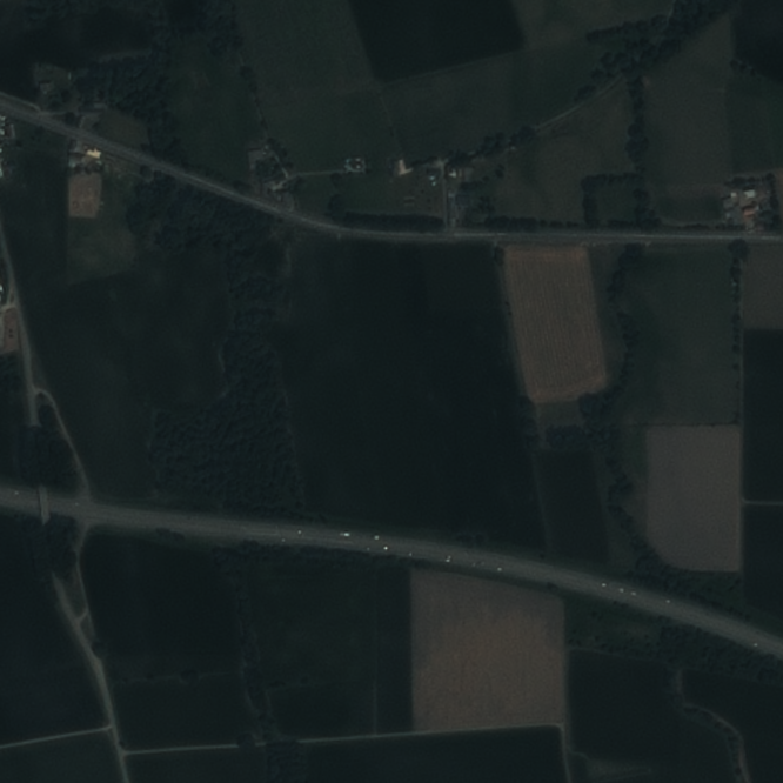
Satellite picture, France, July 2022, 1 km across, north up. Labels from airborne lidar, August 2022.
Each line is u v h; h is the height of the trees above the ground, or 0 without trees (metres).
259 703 21
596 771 0
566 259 0
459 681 0
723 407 0
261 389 17
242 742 16
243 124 0
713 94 0
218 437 18
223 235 22
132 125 0
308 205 0
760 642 0
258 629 0
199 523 0
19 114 0
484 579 0
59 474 23
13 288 0
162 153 13
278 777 18
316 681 0
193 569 0
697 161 0
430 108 0
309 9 0
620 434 14
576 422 0
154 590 0
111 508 0
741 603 0
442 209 0
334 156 0
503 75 0
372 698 0
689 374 0
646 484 0
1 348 0
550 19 0
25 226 0
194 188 14
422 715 0
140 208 18
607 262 0
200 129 0
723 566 0
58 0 19
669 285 0
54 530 22
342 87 0
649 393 0
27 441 25
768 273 0
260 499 17
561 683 0
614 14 0
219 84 0
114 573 0
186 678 15
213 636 0
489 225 14
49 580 11
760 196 0
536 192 0
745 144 0
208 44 0
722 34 0
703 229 6
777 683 12
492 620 0
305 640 0
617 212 0
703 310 0
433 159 9
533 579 0
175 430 10
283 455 12
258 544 14
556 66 0
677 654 10
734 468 0
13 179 0
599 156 0
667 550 0
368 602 0
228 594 0
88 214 0
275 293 23
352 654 0
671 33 18
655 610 0
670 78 0
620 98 0
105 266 0
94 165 0
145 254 0
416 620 0
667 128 0
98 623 0
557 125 0
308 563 8
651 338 0
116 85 26
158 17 21
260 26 0
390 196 0
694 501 0
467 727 0
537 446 18
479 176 0
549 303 0
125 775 0
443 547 0
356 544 0
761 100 0
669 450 0
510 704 0
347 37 0
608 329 0
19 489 0
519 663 0
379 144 0
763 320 0
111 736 0
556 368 0
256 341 21
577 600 0
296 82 0
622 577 0
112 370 0
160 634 0
